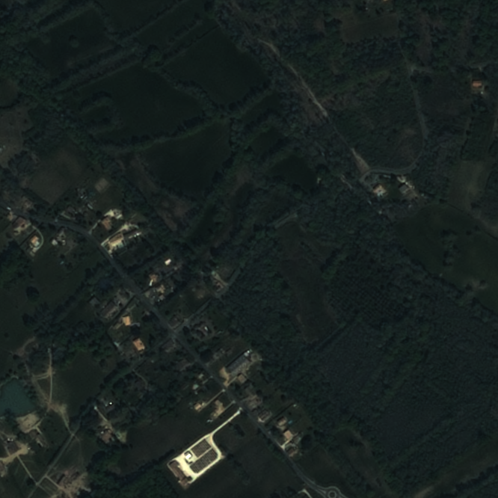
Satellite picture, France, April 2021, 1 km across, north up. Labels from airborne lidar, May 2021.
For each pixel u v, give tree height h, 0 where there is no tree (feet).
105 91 0
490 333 47
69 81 64
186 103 0
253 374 0
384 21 0
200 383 22
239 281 33
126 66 48
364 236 82
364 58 71
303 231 0
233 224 0
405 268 68
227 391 0
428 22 25
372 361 62
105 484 58
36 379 0
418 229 0
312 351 64
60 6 52
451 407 31
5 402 0
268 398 30
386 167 29
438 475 58
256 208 57
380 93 20
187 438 0
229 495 0
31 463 0
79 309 0
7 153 0
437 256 0
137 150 54
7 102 0
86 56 0
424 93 23
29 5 0
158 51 55
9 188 36
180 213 0
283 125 71
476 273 0
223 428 0
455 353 46
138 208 56
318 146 76
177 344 38
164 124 0
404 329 79
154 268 31
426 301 32
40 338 71
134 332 43
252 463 0
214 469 0
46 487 0
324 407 37
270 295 55
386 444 56
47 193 0
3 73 51
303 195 54
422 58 28
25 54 59
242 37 79
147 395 28
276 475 0
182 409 0
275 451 39
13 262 77
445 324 50
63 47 0
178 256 51
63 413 0
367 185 28
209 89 0
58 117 59
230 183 30
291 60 70
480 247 0
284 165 0
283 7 69
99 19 0
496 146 23
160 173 0
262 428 0
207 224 0
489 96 38
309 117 79
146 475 66
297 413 0
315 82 53
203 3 0
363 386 54
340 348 64
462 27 75
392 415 49
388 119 37
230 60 0
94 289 59
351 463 41
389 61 85
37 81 66
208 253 0
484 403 51
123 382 58
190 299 0
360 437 0
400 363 46
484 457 0
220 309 39
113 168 55
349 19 0
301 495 24
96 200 0
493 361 53
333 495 0
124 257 0
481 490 46
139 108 0
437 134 43
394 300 42
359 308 38
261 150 0
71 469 0
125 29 0
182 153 0
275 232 65
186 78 0
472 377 45
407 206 48
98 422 61
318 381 69
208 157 0
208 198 44
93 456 0
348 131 32
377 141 25
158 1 0
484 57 28
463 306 39
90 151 46
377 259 27
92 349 34
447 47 62
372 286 40
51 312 59
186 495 0
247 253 56
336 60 31
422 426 47
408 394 40
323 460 0
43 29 66
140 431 0
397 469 30
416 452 35
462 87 47
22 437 59
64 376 0
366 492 66
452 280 0
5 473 0
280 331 50
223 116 55
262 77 0
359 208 66
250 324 58
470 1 53
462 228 0
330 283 51
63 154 0
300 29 55
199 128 67
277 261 57
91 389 0
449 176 56
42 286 0
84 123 41
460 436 51
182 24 0
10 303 0
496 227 0
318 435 36
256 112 0
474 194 0
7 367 0
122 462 0
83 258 25
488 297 0
